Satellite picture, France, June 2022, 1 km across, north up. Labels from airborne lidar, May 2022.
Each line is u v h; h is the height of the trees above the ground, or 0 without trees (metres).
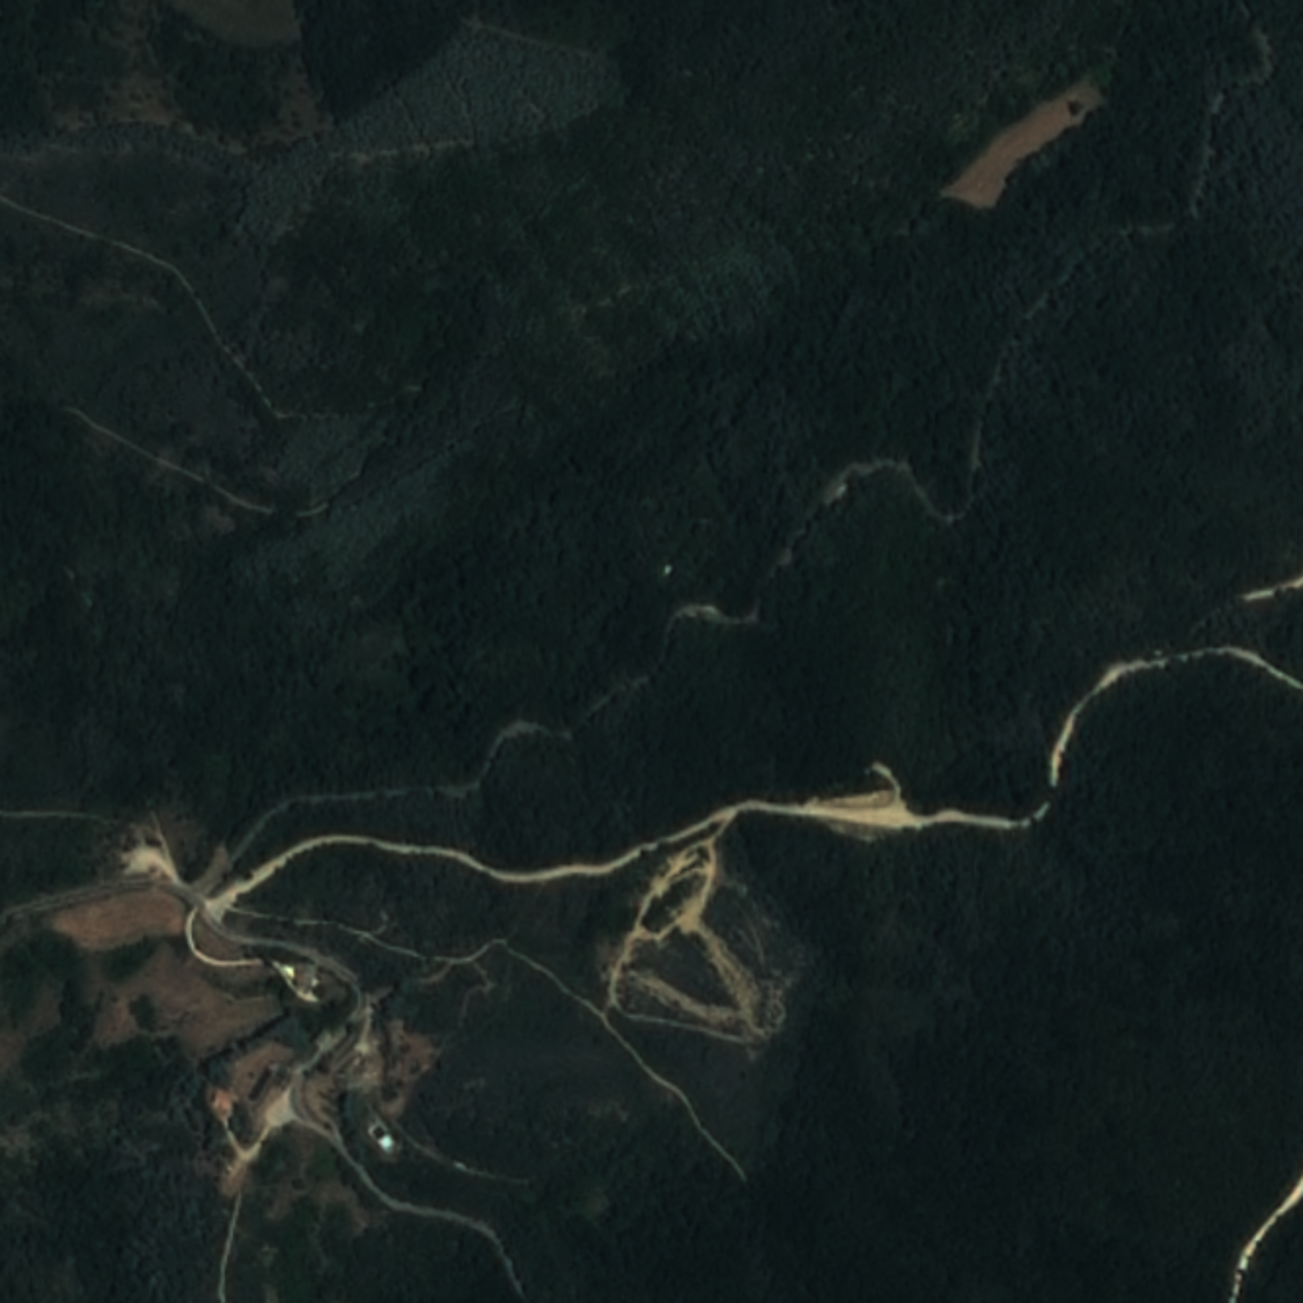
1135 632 6
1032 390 12
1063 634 11
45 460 18
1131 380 14
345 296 9
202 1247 7
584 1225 9
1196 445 14
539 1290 8
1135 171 10
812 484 12
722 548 14
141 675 10
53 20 10
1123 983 17
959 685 16
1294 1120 12
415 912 8
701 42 15
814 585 15
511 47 12
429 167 10
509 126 9
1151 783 15
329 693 9
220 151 11
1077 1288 20
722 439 16
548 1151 8
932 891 11
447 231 14
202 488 11
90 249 6
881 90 12
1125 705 10
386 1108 0
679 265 11
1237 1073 17
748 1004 0
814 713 19
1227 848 17
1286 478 8
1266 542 7
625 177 8
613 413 9
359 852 9
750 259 13
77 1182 10
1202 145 13
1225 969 21
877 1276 17
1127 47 15
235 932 0
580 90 11
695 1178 12
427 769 13
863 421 14
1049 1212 15
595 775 8
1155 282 17
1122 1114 17
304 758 7
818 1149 13
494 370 14
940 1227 15
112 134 11
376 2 14
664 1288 10
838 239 12
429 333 10
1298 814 17
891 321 17
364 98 13
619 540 16
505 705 14
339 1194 0
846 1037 12
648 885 6
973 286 10
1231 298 14
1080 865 14
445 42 9
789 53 14
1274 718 16
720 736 15
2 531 18
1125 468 14
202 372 7
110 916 0
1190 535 6
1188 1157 13
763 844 9
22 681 11
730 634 12
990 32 17
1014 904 11
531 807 7
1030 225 12
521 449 11
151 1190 6
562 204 11
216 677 12
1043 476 18
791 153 11
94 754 10
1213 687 10
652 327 13
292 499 8
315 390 9
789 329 13
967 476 11
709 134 10
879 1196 15
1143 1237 14
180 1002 0
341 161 9
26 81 8
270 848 6
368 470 15
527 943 0
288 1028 18
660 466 11
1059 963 12
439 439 14
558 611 14
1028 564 16
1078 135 20
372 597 13
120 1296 15
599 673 14
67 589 10
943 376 12
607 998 0
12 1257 13
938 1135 16
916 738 10
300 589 9
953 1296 16
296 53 8
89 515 10
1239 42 17
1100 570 14
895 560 14
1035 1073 18
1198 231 12
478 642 19
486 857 8
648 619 17
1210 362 17
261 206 8
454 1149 8
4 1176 6
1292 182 11
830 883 8
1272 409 8
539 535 13
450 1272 12
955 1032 9
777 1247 11
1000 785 19
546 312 9
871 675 14
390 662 8
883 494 10
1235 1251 9
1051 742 6
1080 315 11
